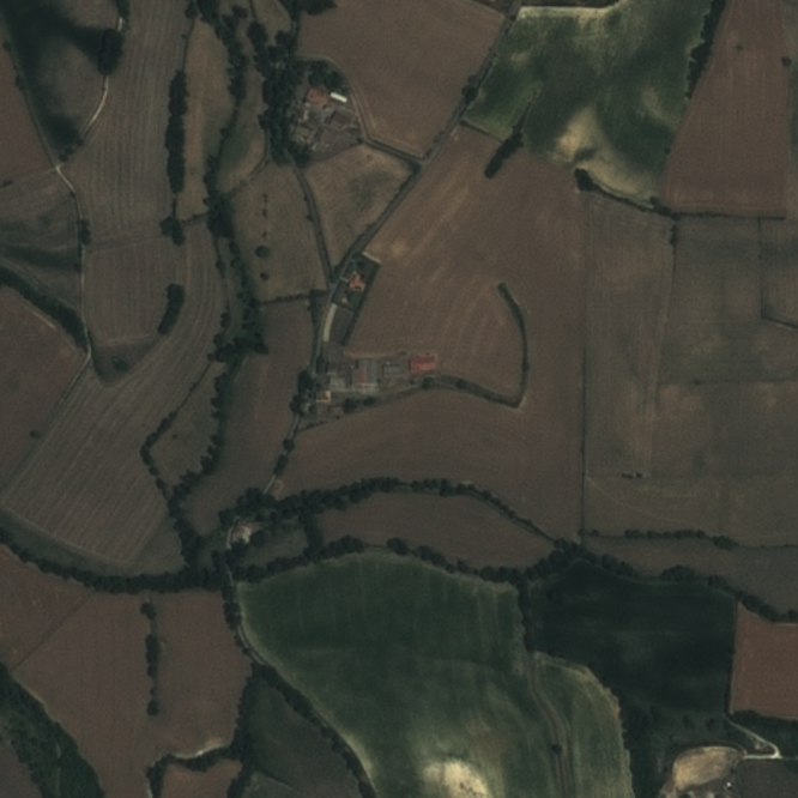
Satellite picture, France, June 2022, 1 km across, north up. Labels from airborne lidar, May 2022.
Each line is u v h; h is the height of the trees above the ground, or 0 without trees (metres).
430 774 0
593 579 0
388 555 0
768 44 0
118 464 0
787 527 0
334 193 0
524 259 0
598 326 0
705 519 0
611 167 0
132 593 12
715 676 0
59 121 0
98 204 0
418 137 0
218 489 0
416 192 0
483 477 0
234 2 0
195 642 0
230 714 0
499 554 0
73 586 0
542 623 0
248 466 0
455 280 0
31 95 0
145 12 0
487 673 0
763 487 0
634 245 0
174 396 0
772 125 0
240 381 0
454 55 0
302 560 14
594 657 0
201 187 0
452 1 0
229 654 0
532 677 0
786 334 0
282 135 8
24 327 0
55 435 0
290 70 9
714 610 0
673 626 0
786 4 0
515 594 0
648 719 11
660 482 0
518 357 0
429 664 0
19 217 0
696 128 0
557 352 0
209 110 0
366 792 15
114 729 0
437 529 0
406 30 0
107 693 0
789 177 0
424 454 0
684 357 0
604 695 0
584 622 0
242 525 0
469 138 0
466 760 0
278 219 0
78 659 0
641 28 0
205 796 0
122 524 0
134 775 0
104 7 0
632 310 0
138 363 0
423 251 0
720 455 0
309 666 0
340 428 0
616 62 0
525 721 0
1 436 0
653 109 0
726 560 0
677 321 0
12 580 0
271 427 0
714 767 0
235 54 15
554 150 0
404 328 0
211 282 0
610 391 0
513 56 0
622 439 0
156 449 0
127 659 0
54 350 0
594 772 0
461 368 0
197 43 0
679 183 0
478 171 0
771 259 0
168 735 0
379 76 0
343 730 0
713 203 0
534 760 0
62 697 0
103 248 0
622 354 0
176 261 0
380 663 0
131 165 0
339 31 0
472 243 0
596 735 0
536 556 0
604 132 0
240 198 0
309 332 0
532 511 0
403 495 0
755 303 0
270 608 0
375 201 0
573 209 0
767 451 0
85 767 13
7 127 0
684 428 0
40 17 0
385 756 0
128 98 0
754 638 0
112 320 0
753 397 0
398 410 0
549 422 0
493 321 0
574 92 0
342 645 0
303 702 21
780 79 0
